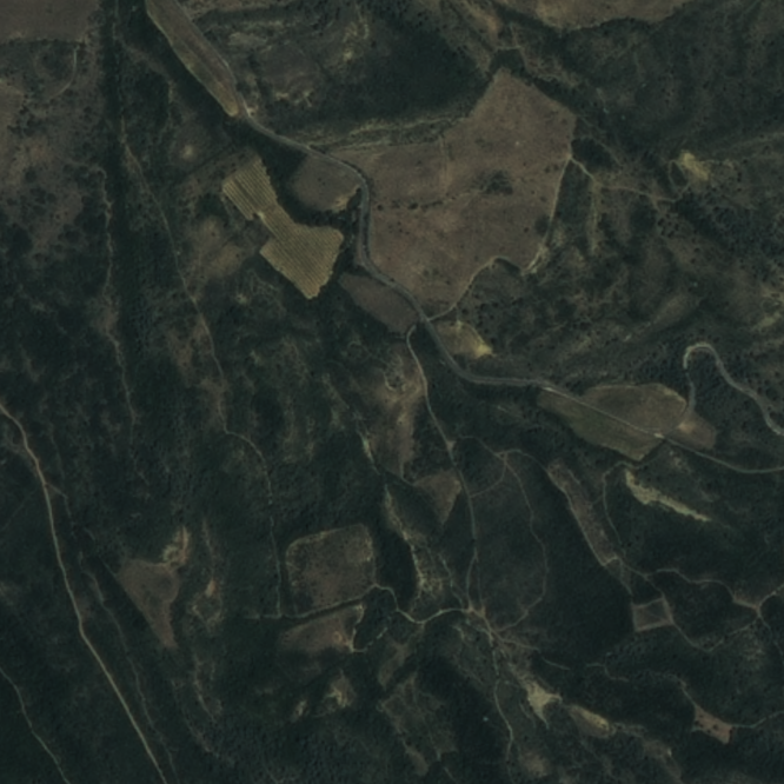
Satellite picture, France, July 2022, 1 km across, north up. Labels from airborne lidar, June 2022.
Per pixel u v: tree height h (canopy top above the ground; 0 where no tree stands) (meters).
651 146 0
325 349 6
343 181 0
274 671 7
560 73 0
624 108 0
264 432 6
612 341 7
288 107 8
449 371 8
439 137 0
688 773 6
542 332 0
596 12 0
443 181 0
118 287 6
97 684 0
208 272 0
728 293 0
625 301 0
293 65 0
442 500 0
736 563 7
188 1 0
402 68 0
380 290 0
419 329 8
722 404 6
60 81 0
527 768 0
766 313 0
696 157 0
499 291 0
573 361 0
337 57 0
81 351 5
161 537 0
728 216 14
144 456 7
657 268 0
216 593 0
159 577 0
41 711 11
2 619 8
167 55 7
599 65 0
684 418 0
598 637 6
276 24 0
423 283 0
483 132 0
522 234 0
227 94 0
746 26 0
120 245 7
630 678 8
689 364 9
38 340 5
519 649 0
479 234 0
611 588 5
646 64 0
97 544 6
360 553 0
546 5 0
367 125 0
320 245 0
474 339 0
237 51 0
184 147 0
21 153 0
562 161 0
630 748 7
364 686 6
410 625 11
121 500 6
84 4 0
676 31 0
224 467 0
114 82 7
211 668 0
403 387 0
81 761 8
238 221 0
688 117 0
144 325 13
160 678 6
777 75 0
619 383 0
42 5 0
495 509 0
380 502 5
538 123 0
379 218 0
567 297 0
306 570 0
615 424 0
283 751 7
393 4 11
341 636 0
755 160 0
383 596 7
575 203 0
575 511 0
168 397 10
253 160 0
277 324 5
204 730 8
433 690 7
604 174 0
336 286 8
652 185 0
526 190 0
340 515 11
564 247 0
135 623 6
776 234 6
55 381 5
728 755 6
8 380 6
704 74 0
